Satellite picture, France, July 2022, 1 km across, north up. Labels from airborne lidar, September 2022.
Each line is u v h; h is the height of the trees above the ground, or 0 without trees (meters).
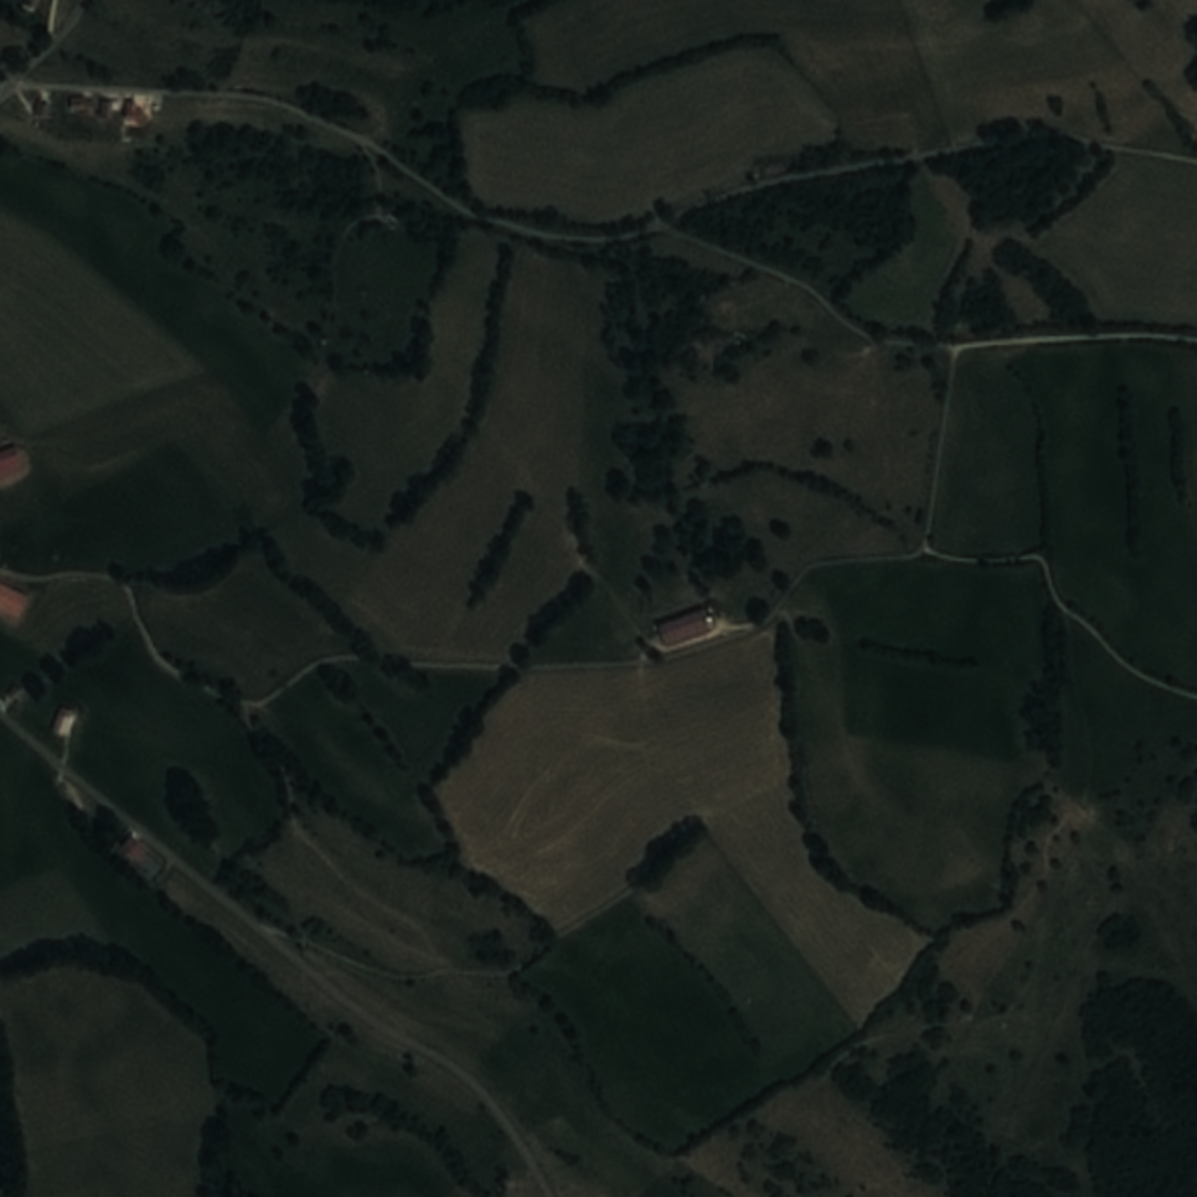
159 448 0
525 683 0
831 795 0
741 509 0
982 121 0
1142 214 0
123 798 0
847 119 0
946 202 0
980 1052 0
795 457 0
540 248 14
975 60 0
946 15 0
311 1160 0
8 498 0
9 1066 16
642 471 12
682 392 0
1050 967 0
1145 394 0
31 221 0
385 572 0
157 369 0
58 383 0
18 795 0
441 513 0
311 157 14
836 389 0
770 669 0
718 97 0
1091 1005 6
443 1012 0
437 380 0
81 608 0
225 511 0
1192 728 0
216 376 0
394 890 0
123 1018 0
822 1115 0
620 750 0
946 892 0
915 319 0
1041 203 6
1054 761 12
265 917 9
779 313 0
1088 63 0
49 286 0
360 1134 9
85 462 0
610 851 0
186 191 0
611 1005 0
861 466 0
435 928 0
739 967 0
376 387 0
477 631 0
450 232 17
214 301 0
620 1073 0
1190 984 0
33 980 0
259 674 0
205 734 0
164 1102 0
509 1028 0
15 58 18
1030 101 0
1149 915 0
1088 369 0
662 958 0
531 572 0
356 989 0
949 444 0
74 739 0
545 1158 0
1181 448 6
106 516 0
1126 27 0
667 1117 0
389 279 0
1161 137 0
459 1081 0
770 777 0
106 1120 0
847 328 0
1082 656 0
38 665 0
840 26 0
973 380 0
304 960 0
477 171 0
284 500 0
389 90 0
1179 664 0
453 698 0
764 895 0
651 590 8
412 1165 0
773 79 0
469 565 0
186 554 0
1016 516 0
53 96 0
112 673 0
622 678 0
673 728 0
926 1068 6
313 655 0
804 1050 0
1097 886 0
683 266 9
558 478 0
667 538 15
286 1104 6
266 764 17
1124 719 0
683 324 6
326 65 0
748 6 0
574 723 0
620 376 0
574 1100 0
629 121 0
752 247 7
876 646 7
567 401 0
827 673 0
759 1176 0
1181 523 0
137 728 0
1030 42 0
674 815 0
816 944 0
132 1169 0
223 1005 0
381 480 0
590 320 0
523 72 8
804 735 0
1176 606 0
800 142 0
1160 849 0
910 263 0
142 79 0
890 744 0
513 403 0
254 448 0
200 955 0
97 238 0
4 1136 20
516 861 0
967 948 0
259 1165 0
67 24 0
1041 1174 5
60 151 0
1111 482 0
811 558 0
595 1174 0
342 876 0
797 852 0
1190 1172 6
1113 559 0
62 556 0
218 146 13
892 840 0
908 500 0
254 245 0
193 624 0
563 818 0
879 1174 0
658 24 0
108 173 0
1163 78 0
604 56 0
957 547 0
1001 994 0
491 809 0
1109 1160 7
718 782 0
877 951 0
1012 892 9
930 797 0
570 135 0
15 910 0
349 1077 0
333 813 13
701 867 0
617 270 10
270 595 0
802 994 0
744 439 0
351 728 0
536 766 0
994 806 0
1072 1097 0
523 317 0
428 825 0
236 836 0
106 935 0
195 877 0
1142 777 0
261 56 0
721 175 0
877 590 0
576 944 0
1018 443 0
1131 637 0
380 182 0
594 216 0
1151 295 0
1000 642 0
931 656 11
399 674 22
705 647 0
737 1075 0
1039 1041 0
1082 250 0
